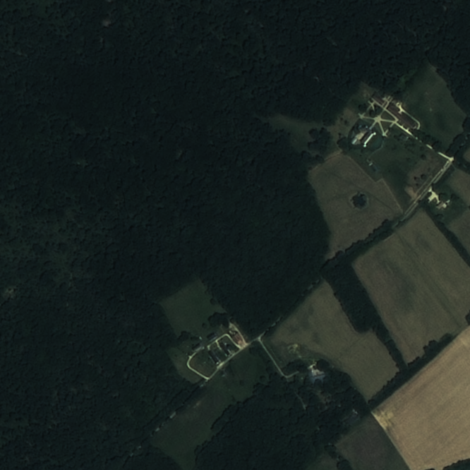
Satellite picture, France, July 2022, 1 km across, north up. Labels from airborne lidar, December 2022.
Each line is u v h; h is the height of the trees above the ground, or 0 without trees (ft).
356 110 0
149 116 78
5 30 66
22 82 70
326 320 0
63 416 81
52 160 66
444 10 101
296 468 48
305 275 60
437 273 0
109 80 89
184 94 91
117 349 46
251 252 69
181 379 20
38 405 77
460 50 92
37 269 60
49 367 71
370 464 0
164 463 54
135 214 57
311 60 69
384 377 0
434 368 0
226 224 71
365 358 0
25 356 59
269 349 0
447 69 94
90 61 83
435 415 0
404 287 0
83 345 49
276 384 59
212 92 90
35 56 63
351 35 96
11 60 60
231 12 64
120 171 81
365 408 60
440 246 0
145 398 38
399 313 0
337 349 0
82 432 44
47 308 61
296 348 0
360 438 0
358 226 0
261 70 70
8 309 43
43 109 73
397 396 0
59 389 76
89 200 77
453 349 0
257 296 54
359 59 75
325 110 69
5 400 61
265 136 79
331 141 43
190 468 0
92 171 52
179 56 73
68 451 70
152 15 60
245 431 66
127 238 61
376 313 52
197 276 70
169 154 86
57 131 67
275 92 52
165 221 58
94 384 51
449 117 0
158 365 61
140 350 58
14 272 39
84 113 73
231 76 75
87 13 78
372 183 0
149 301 71
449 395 0
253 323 84
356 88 94
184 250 65
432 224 0
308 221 80
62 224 49
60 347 64
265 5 69
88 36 91
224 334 0
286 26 83
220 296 72
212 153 78
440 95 0
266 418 84
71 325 46
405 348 0
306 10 52
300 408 18
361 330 60
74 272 40
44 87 72
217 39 70
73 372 59
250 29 70
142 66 81
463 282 0
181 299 0
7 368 57
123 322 68
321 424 48
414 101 0
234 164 68
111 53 60
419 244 0
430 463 0
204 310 0
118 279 66
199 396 30
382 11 75
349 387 34
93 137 72
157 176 89
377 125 0
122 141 74
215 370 0
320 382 50
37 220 45
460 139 48
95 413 59
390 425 0
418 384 0
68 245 47
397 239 0
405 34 108
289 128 0
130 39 62
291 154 71
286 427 60
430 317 0
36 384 69
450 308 0
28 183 62
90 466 85
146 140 77
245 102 83
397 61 106
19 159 66
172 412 33
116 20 48
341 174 0
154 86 91
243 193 77
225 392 0
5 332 61
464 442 0
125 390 66
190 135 82
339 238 0
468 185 0
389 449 0
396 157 0
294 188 61
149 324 64
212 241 70
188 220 67
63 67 69
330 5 73
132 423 34
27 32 64
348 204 0
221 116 90
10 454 75
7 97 82
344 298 61
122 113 72
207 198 71
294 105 81
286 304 63
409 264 0
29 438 60
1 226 56
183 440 0
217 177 63
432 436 0
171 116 91
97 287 59
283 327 0
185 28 81
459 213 0
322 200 0
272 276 69
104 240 24
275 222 64
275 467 54
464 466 37
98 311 57
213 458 68
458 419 0
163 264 73
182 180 79
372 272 0
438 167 0
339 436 56
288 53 71
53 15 39
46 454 58
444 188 0
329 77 92
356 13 82
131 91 86
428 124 0
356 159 0
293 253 66
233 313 61
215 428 52
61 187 87
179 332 0
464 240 0
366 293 49
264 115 59
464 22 76
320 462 0
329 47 88
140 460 64
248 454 57
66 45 91
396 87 70
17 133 79
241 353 0
